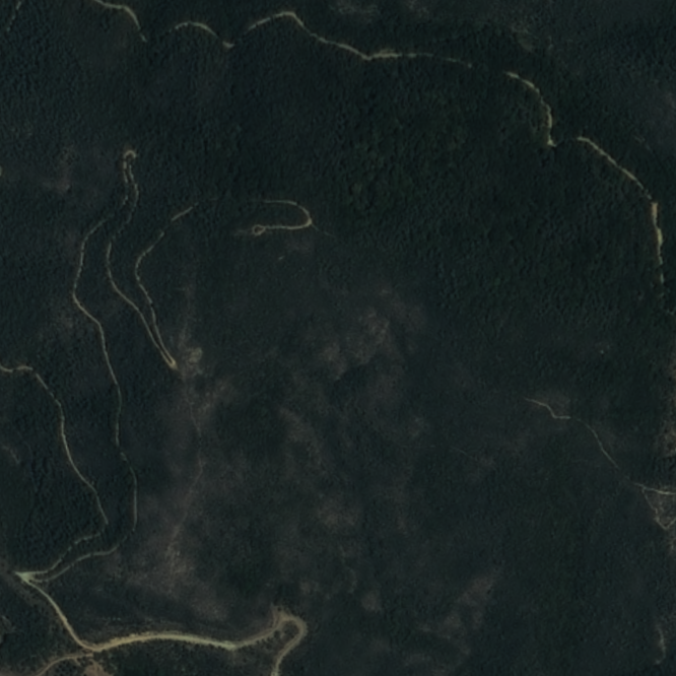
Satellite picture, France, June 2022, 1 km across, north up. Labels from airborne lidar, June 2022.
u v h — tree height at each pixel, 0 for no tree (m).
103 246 9
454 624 0
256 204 10
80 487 13
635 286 11
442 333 7
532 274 16
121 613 7
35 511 6
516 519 6
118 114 11
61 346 14
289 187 8
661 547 7
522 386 7
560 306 15
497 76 15
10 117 9
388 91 16
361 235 16
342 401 6
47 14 12
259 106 10
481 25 7
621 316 11
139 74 9
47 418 9
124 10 7
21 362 6
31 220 8
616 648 7
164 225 9
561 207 17
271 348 6
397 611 14
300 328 6
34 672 6
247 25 11
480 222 16
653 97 6
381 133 19
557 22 14
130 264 6
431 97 17
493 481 6
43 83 7
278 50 10
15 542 8
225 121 16
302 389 5
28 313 7
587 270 14
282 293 7
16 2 9
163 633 0
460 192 9
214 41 8
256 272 5
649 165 20
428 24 11
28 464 7
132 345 6
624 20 7
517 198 16
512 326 8
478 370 6
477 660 12
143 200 7
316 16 9
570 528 11
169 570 0
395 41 14
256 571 11
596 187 18
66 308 7
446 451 6
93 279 6
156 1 15
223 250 6
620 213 8
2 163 10
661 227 11
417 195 18
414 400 5
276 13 6
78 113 8
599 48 7
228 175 9
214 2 12
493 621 10
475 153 12
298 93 7
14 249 11
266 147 11
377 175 17
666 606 12
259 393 7
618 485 6
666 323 15
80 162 6
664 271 14
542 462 6
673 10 17
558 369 11
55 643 6
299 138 8
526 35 7
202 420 0
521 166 20
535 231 15
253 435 7
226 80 9
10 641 12
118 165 10
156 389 7
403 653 5
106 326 6
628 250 9
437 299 6
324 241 8
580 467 8
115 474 6
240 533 6
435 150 20
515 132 12
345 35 11
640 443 8
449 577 7
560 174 15
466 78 14
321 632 7
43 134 6
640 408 8
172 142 11
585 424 7
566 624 15
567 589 17
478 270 15
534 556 8
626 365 11
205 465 0
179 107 9
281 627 0
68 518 7
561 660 9
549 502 6
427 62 14
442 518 7
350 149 17
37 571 6
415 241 16
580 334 10
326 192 9
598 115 11
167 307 7
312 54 8
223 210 9
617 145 13
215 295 6
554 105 16
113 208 8
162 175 7
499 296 9
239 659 0
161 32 13
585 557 10
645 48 14
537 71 13
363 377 8
